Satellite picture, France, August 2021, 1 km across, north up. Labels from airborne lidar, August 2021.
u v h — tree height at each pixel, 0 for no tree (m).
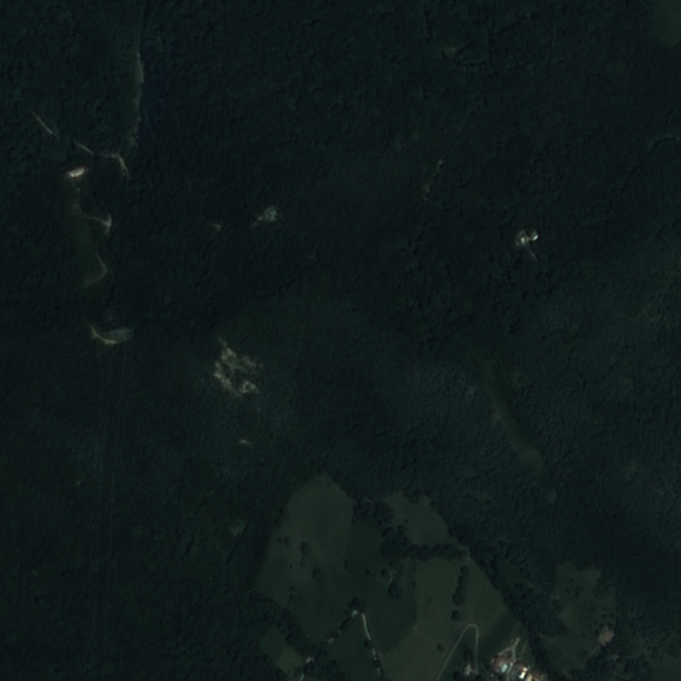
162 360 22
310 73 31
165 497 13
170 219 12
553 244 22
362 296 25
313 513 0
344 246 24
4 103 19
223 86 17
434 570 0
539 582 10
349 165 14
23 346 19
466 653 10
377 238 26
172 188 14
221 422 11
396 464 20
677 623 7
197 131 20
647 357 7
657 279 17
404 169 21
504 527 15
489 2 24
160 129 15
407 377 6
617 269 19
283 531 0
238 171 12
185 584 19
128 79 21
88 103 27
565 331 11
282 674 23
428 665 0
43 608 26
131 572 26
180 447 16
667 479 6
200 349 14
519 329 12
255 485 10
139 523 20
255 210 10
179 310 23
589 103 17
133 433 16
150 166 20
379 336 10
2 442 12
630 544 18
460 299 26
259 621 11
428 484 12
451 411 10
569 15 23
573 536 12
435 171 23
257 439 8
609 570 14
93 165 11
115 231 12
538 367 8
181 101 13
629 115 23
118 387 17
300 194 9
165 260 13
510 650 0
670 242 11
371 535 0
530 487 10
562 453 10
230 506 10
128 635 19
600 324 9
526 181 18
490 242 28
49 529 15
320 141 14
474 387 7
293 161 10
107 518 20
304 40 20
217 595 19
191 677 17
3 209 14
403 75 31
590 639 0
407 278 24
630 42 19
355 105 17
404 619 0
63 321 17
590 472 14
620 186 20
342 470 16
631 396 9
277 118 30
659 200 26
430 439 9
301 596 0
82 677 25
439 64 31
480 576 0
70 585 29
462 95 29
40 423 11
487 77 32
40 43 28
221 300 20
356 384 22
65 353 16
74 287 13
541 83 15
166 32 20
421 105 28
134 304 19
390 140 7
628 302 8
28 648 33
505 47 26
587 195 19
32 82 19
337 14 22
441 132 12
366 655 0
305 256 26
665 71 20
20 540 24
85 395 19
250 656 21
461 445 9
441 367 7
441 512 17
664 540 12
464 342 22
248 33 25
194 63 13
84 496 11
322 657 19
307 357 17
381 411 16
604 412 13
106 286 7
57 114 16
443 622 0
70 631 26
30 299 22
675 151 11
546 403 8
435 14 31
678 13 0
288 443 12
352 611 12
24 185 10
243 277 20
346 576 0
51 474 12
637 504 12
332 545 0
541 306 11
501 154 12
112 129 18
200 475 12
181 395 15
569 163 22
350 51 21
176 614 11
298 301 15
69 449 12
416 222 26
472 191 26
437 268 28
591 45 22
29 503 11
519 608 19
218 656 15
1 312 20
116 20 22
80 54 33
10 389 25
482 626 0
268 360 13
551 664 16
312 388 16
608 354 8
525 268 28
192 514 18
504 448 7
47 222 18
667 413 14
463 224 23
